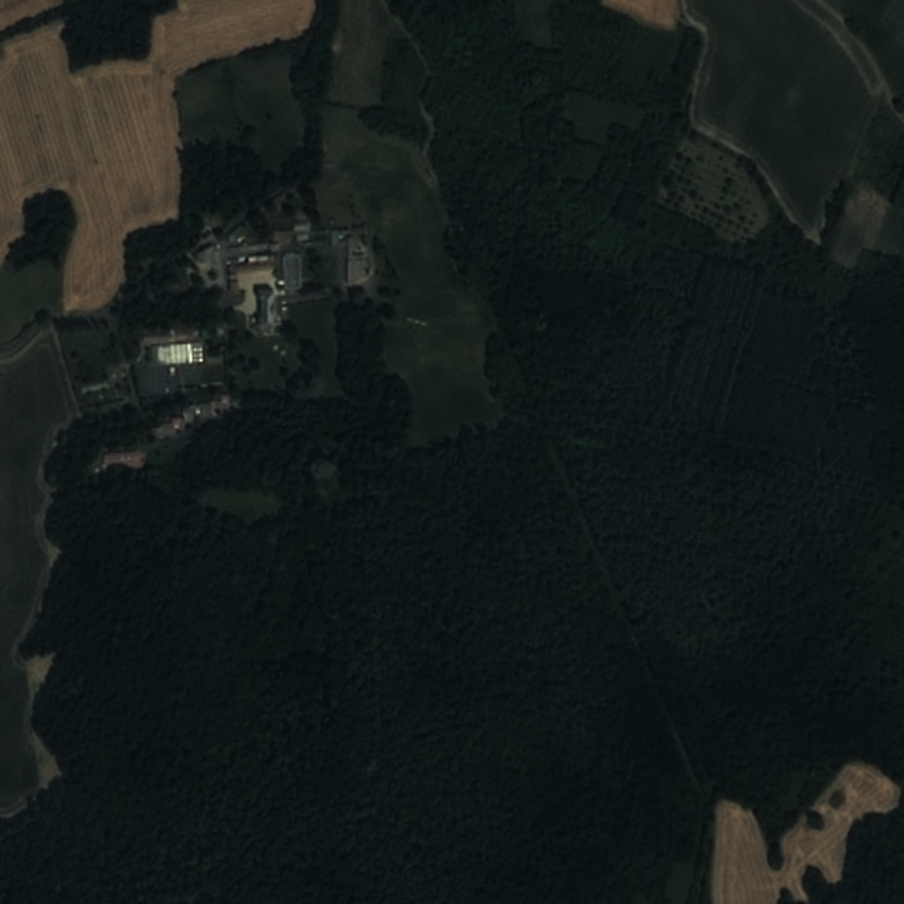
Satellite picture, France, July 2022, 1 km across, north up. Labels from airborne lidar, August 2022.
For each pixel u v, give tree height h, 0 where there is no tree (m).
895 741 15
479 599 21
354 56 0
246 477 15
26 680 0
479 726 16
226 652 20
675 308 14
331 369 0
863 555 10
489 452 14
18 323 0
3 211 0
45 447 0
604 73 7
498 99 9
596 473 10
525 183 13
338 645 15
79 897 18
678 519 17
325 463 24
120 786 17
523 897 7
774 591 15
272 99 0
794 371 19
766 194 12
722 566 13
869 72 0
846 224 0
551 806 16
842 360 16
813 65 0
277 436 20
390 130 12
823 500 15
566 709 23
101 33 13
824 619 19
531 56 11
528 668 22
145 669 15
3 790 0
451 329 0
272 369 0
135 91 0
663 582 14
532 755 13
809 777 7
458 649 17
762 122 0
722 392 23
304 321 0
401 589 13
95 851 16
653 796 17
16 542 0
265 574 18
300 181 10
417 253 0
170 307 12
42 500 0
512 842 10
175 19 0
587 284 16
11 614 0
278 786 18
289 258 0
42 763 0
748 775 15
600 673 12
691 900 6
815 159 0
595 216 8
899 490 12
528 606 12
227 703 22
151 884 15
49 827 14
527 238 15
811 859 0
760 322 19
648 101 6
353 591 18
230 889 21
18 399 0
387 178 0
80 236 0
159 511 15
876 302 15
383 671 19
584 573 18
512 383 9
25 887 18
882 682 16
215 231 13
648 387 16
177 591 18
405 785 18
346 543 19
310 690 23
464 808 17
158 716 17
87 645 16
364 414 24
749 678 18
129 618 18
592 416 12
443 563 13
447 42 10
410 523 13
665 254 10
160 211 0
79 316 0
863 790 0
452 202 12
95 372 0
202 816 19
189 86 0
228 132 0
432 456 16
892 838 19
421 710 15
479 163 19
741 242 6
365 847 14
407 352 0
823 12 0
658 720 19
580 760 21
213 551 14
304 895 11
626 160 10
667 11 0
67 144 0
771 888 0
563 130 12
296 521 17
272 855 20
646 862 12
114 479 18
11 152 0
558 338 16
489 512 17
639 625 22
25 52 0
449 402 0
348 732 14
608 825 17
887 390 15
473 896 19
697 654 15
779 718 17
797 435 19
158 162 0
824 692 15
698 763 15
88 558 15
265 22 0
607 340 18
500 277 22
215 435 19
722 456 15
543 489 12
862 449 19
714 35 0
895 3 0
